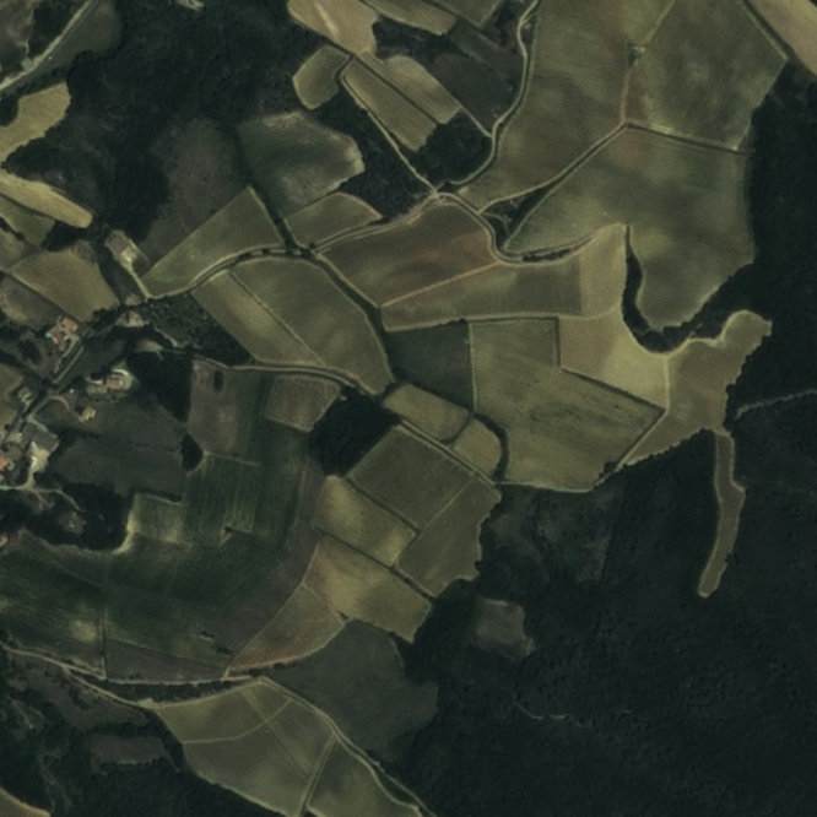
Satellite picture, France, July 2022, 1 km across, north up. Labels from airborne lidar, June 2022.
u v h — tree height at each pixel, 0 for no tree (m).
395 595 0
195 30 10
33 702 13
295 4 0
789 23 0
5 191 0
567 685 15
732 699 12
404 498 0
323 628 0
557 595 9
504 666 8
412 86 0
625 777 10
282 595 0
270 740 0
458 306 0
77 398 0
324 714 0
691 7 0
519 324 0
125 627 0
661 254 0
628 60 0
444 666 6
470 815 9
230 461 0
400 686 0
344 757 0
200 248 0
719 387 0
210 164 0
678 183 0
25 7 0
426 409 0
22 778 14
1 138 0
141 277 0
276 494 0
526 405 0
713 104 0
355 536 0
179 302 0
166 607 0
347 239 0
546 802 9
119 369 0
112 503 12
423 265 0
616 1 0
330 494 0
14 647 11
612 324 0
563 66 0
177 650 0
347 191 6
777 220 6
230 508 0
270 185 0
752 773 12
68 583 0
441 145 5
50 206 0
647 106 0
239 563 0
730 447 0
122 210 6
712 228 0
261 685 0
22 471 6
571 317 0
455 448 0
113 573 0
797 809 6
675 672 11
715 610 10
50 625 0
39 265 0
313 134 0
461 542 0
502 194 0
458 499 0
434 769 6
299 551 0
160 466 0
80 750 15
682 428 0
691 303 0
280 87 9
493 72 0
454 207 0
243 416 0
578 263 0
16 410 0
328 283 0
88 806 11
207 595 0
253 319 0
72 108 7
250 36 7
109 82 6
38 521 7
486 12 0
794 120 7
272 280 0
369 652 0
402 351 0
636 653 8
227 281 0
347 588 0
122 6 13
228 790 7
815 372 12
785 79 0
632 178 0
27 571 0
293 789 0
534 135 0
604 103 0
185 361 8
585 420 0
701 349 0
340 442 11
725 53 0
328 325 0
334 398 0
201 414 0
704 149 0
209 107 13
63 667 0
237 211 0
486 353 0
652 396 0
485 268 0
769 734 10
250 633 0
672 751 15
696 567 8
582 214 0
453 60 0
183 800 9
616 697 8
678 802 11
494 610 0
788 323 7
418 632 9
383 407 12
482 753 7
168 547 0
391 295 0
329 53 0
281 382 0
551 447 0
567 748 11
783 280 9
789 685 18
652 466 10
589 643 8
